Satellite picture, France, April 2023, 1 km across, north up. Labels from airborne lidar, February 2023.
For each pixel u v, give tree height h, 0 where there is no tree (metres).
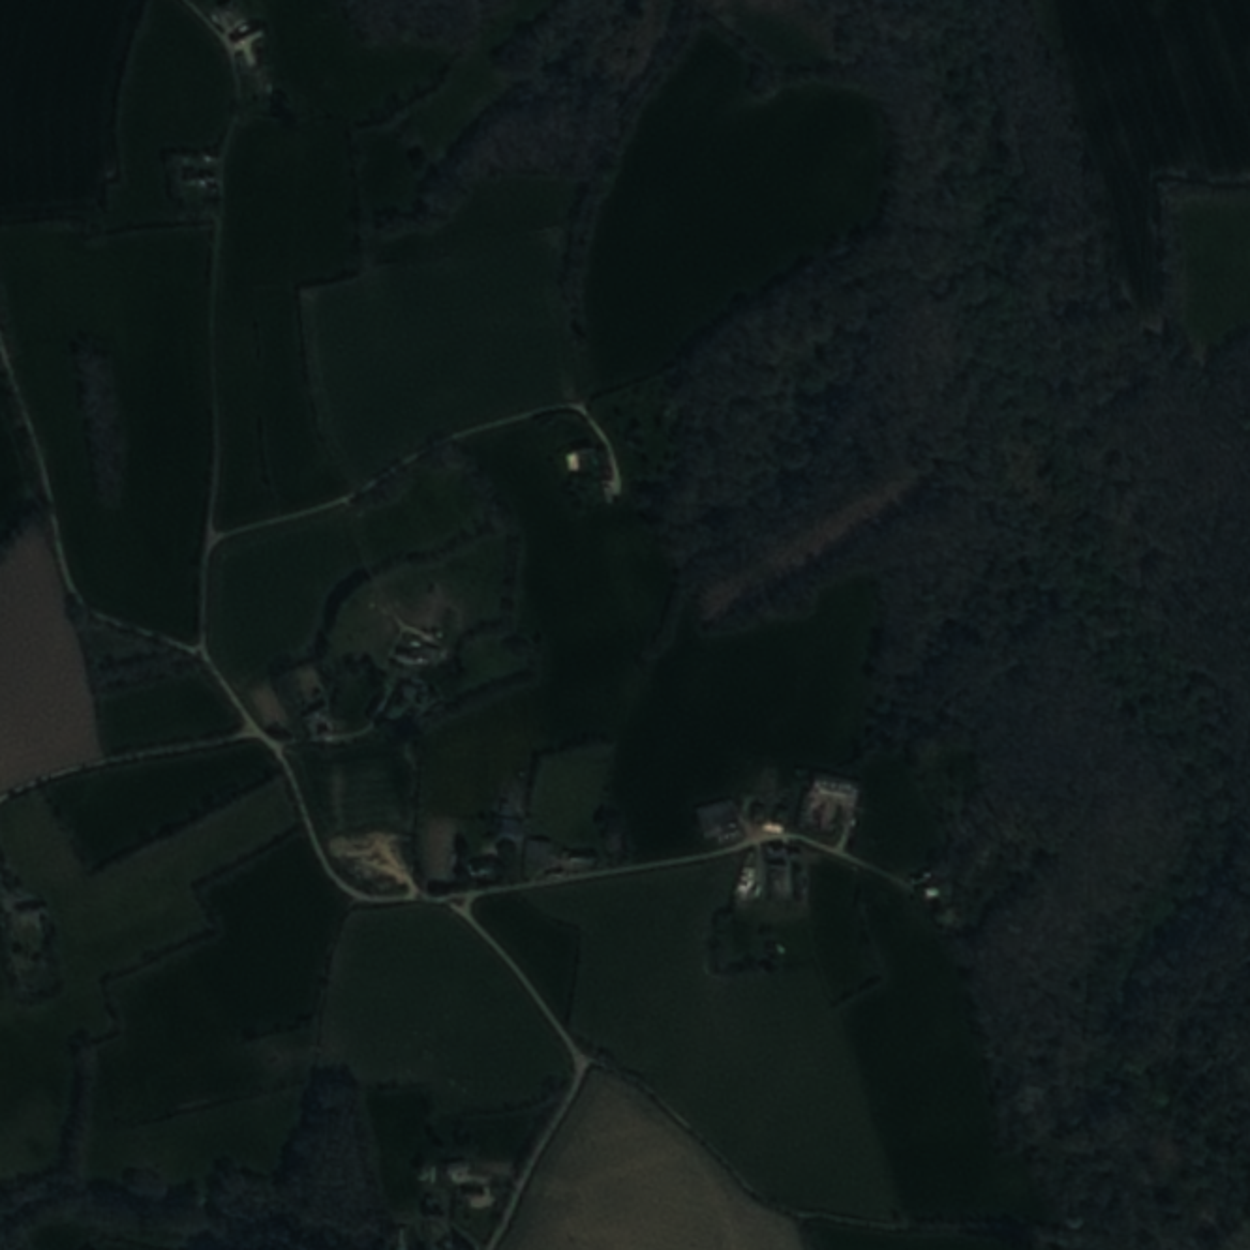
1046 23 0
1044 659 23
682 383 20
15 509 0
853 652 0
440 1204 0
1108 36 0
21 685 0
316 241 0
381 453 0
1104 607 7
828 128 0
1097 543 10
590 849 0
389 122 13
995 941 17
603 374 0
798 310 19
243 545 0
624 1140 0
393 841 0
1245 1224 15
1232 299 0
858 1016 0
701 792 0
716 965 9
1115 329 17
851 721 0
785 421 21
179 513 0
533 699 0
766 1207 7
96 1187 0
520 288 0
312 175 0
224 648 0
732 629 9
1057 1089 21
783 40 0
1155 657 9
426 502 0
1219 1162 12
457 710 8
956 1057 0
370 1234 14
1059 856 20
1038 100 20
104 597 0
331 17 0
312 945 0
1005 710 26
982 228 9
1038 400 13
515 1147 0
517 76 17
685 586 6
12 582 0
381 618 0
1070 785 21
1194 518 21
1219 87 0
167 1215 22
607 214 0
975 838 13
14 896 9
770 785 0
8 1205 17
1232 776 18
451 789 0
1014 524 8
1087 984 10
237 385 0
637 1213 0
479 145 20
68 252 0
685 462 18
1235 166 0
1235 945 18
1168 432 20
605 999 0
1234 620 19
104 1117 0
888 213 14
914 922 0
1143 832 14
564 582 0
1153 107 0
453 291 0
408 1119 0
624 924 0
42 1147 0
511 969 0
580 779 0
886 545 19
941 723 12
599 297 0
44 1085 0
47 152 0
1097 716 22
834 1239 0
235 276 0
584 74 9
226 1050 0
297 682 6
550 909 0
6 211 0
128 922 0
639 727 0
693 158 0
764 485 25
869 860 0
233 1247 18
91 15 0
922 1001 0
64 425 0
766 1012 0
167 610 0
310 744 6
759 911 0
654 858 0
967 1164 0
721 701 0
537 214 0
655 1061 0
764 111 0
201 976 0
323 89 0
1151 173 0
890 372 19
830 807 0
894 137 17
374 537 0
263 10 0
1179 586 16
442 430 0
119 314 0
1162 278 7
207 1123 0
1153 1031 24
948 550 22
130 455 0
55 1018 0
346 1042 0
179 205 19
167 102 0
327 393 0
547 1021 0
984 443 11
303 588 0
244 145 0
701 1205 0
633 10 16
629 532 0
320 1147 25
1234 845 25
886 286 24
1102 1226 15
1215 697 18
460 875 8
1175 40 0
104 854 0
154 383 0
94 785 0
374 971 0
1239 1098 19
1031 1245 15
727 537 22
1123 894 22
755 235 0
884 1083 0
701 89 0
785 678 0
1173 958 28
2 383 9
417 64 0
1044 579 8
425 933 0
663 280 0
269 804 0
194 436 0
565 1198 0
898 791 0
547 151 16
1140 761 26
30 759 0
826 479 22
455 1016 0
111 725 0
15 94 0
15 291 0
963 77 6
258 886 0
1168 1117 19
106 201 6
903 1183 0
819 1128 0
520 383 0
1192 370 20
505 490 0
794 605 20
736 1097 0
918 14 19
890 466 20
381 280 0
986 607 8
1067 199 16
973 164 8
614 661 0
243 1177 11
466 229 0
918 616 22
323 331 0
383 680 9
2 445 0
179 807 0
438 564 7
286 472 0
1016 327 8
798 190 0
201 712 0
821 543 0
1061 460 13
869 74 20
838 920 0
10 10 0
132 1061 0
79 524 0
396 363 0
